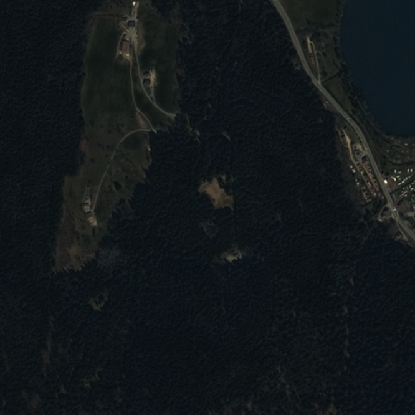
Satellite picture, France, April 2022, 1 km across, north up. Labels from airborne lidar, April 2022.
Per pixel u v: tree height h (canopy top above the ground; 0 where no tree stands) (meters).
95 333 31
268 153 23
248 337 27
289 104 23
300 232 37
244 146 24
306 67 0
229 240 22
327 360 41
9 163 29
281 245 30
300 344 22
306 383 36
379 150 0
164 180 29
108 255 28
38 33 28
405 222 0
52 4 18
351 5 0
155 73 0
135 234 25
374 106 0
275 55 26
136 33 0
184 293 23
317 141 28
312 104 32
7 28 30
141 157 0
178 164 27
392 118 0
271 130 30
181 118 18
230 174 21
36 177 23
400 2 0
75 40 25
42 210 30
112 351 24
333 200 34
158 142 27
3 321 23
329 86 0
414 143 0
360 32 0
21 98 29
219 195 0
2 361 21
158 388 18
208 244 23
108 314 21
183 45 25
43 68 29
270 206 17
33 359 21
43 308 25
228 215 24
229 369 16
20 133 26
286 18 0
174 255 29
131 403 18
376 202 9
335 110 0
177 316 23
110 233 15
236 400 37
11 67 27
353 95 11
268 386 30
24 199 26
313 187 26
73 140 22
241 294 30
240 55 18
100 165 0
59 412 16
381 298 31
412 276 29
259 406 24
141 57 0
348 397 30
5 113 28
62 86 23
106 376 17
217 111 18
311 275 22
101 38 0
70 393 18
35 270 26
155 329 23
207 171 24
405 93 0
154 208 29
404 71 0
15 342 18
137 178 0
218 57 22
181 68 21
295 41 0
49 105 21
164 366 26
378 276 28
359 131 0
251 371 24
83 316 33
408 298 21
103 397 12
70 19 28
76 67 23
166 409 23
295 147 26
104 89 0
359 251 36
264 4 28
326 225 25
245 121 26
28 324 24
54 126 28
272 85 29
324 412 17
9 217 28
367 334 33
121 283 27
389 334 38
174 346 24
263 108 30
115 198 0
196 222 24
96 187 0
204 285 32
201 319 25
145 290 29
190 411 20
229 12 23
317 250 24
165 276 28
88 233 0
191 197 19
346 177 18
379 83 0
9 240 26
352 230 37
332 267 19
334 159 30
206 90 32
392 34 0
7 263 26
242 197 21
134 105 0
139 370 17
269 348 24
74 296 34
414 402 16
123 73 0
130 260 27
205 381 25
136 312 29
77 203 0
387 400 27
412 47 0
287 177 28
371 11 0
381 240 28
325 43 0
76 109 23
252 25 29
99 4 27
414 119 0
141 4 0
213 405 23
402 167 0
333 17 0
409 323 20
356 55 0
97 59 0
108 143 0
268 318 22
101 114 0
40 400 16
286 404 34
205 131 27
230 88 21
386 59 0
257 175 22
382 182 0
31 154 27
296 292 20
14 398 25
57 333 22
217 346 24
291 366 33
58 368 18
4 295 26
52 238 17
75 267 0
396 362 25
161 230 25
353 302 14
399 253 27
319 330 16
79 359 14
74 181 0
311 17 0
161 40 0
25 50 26
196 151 29
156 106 0
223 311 30
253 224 25
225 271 21
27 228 20
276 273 30
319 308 21
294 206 31
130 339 24
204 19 18
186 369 22
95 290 32
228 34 27
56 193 30
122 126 9
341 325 41
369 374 26
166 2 18
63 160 24
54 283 24
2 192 32
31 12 26
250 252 21
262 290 29
